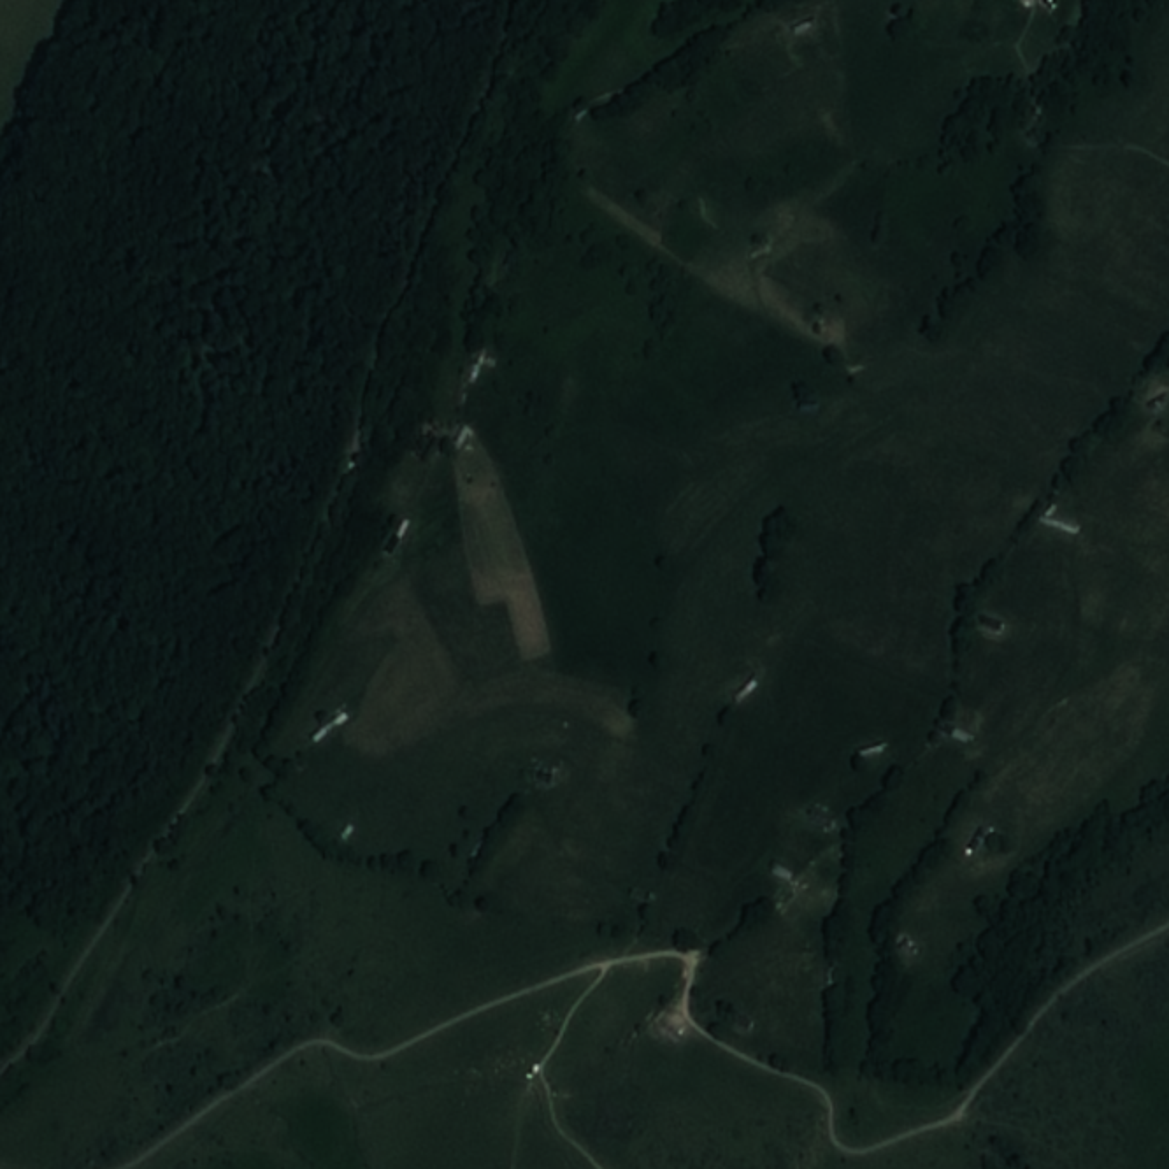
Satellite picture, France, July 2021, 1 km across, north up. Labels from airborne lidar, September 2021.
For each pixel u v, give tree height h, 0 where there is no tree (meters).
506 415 0
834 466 0
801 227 0
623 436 0
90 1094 0
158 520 29
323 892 0
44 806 26
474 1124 0
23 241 33
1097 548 0
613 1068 0
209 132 28
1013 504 0
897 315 0
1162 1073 0
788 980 0
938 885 0
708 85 0
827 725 0
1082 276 0
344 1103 0
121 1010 0
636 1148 0
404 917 0
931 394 0
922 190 0
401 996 0
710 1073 0
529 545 0
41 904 15
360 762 0
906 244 0
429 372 7
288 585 13
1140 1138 0
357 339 22
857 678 0
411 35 21
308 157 25
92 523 31
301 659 13
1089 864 20
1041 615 0
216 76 24
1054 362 0
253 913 0
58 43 17
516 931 0
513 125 7
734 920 0
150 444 26
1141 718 0
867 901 0
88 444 26
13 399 21
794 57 0
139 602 33
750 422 0
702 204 0
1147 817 14
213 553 21
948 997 0
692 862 0
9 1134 0
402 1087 0
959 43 0
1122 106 0
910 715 0
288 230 22
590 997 0
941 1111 0
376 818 0
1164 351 17
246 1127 0
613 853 0
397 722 0
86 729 24
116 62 31
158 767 19
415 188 16
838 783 0
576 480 0
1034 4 0
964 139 10
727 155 0
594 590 0
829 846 0
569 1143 0
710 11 8
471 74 22
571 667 0
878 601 0
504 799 0
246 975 0
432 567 0
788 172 6
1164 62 0
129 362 21
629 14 0
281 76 24
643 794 0
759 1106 0
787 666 0
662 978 0
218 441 29
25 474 20
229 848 0
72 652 24
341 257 26
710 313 0
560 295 0
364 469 10
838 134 0
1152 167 0
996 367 0
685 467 0
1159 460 0
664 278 6
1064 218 0
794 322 0
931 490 0
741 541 0
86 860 15
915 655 0
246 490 26
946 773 0
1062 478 13
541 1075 0
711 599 0
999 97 14
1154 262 0
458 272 6
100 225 21
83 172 31
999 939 18
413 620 0
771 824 0
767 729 0
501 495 0
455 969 0
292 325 27
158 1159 0
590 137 0
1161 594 0
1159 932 0
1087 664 0
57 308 28
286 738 0
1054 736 0
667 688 0
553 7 13
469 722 0
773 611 0
